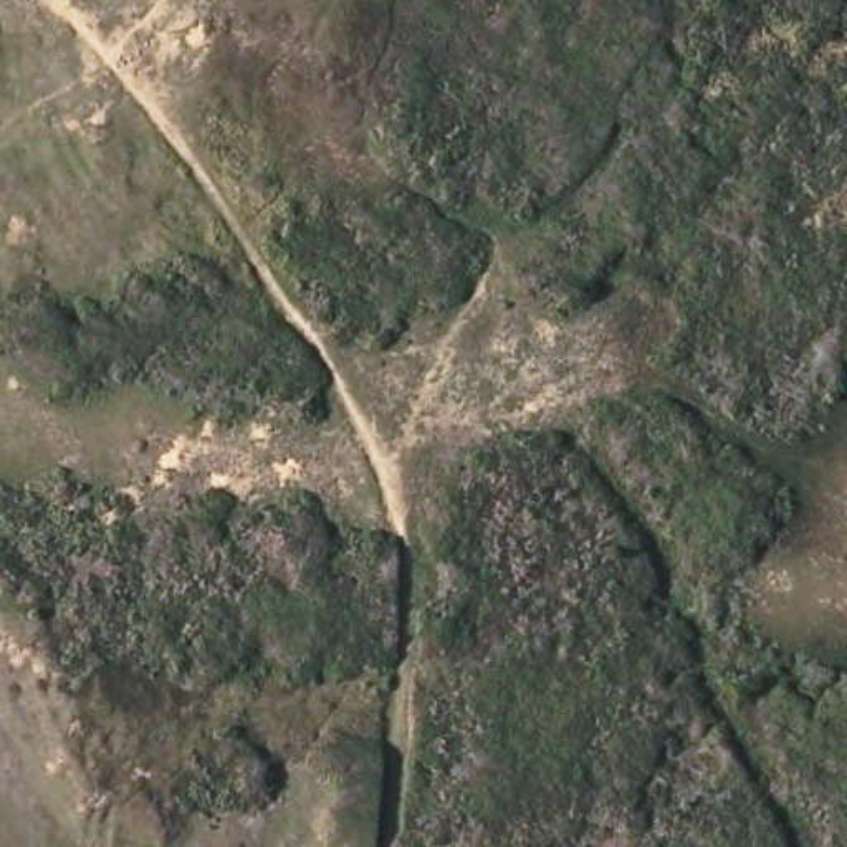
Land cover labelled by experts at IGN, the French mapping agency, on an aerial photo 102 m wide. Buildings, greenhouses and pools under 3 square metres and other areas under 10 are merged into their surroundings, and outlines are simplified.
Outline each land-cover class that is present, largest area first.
<instances>
[{"label":"herbaceous vegetation","instance_id":"1","mask_svg":"<svg viewBox=\"0 0 847 847\"><path fill-rule=\"evenodd\" d=\"M778 23L797 26L804 40L801 53L791 56L787 43L748 53V36ZM205 89H199L192 99H182L172 116L215 179L222 205H215L195 179L192 165L172 149V142L159 132L149 112L136 103V96L119 83V76L109 66L99 69L93 86L83 83L79 36L66 20L53 17L43 7V0H0V615L40 619L46 662L60 672V695L76 701L79 718V731L73 735L66 754L76 761L86 787L106 794L103 807H86L83 817L96 824L99 837L106 830V821H116L112 847H185L195 814H258L261 807H268L285 791L288 768L294 761H308L318 781L337 778L341 807L334 814V834L347 847H374L380 804V744L390 741V711L397 695V688L387 685V668L394 662L397 639L394 549L400 539L410 546L414 559V635L404 668L417 678V761L400 758L397 837L390 840L394 847H629V814L635 807L629 781H635L652 761L655 735L662 728H682L688 735L691 721L698 718L708 735H721L725 748L731 751L735 764L751 784L758 804L771 814L784 847H804L794 817L771 794V778H764L761 764L738 738L721 698L715 695L705 675L701 622L672 599V566L645 516L629 506L622 486L609 476L605 463L612 467L615 460H622L629 443L639 437L668 443L672 450H698L705 457V473L711 480L731 483L738 496L731 549H738L741 556L751 553L758 562L754 572L735 579V589L758 599L764 619L784 625L811 622L817 629L830 612H840L847 619V0H215L205 13ZM93 109L106 112L99 142H79L69 129H63L66 116L79 119L93 116ZM615 248L625 251L622 271L612 285V294L592 304L586 291L599 275L602 261ZM275 258H288V268L298 271L301 294L294 301L301 314L311 318L334 344L341 374L354 400L361 404L364 417L374 420L384 443L400 437L407 410L417 400V390L430 367L424 357H414L404 344L443 341L457 351L453 364L463 371V397L476 407V417L490 437L476 440L470 427L417 424V447L410 450V457L400 460L407 533L397 536L390 529H374L371 523L351 519L334 523L318 493L285 480L268 493V500L258 503H245L232 490L215 486L208 493H179V506L139 516L132 500L112 486L119 453L132 443L139 447L146 427L165 430L172 440H192L202 420L232 430L251 424L268 404L278 400H298L308 407L318 390V371L308 357V351L314 347L271 301L258 271L271 265ZM79 10L96 17L99 33H112L132 20H142L152 0H73ZM807 658L817 668L830 672V665H847V642L824 635H814L807 642Z\"/></svg>","mask_w":847,"mask_h":847},{"label":"bare soil","instance_id":"2","mask_svg":"<svg viewBox=\"0 0 847 847\"><path fill-rule=\"evenodd\" d=\"M215 0H172L169 10L149 30L136 33V40L119 56V63H129L136 76L169 86L172 116L182 99H192L199 89H205V13ZM787 43L791 56L801 53L804 40L797 26L778 23L748 36V53ZM106 112L93 109V116L79 119L66 116L63 129H69L79 142H99ZM625 251L615 248L602 261L599 275L586 291L592 304L612 294V285L622 271ZM275 278L294 301L301 294L298 271L288 268V258H275L271 265ZM308 357L318 371V390L308 407L298 400H278L268 404L251 424L232 430L202 420L192 440H172L165 430L146 427L139 447L132 443L119 453L112 486L132 500L139 516L179 506V493H208L215 486L232 490L245 503H258L268 500V493L285 480L318 493L334 523L351 519L371 523L374 529H390L380 476L351 417L337 404L331 371L314 347L308 351ZM79 731V718L76 701L60 695V672L46 662L40 619L0 615V847H112L116 821H106V830L99 837L96 824L83 817L86 807H103L106 794L86 787L76 761L66 754L73 735ZM341 807L337 778L318 781L308 761H294L288 768L285 791L268 807H261L258 814H195L185 847H347L334 834V814Z\"/></svg>","mask_w":847,"mask_h":847},{"label":"brushwood","instance_id":"3","mask_svg":"<svg viewBox=\"0 0 847 847\"><path fill-rule=\"evenodd\" d=\"M609 476L622 486L629 506L645 516L672 566V599L701 622L705 675L715 695L721 698L738 738L761 764L764 778H771V794L794 817L804 847H847V665H830V672L817 668L807 658V642L814 635H824L847 642V619L840 612H830L817 629L811 622L784 625L764 619L758 599L735 589V579L754 572L758 562L751 553L741 556L738 549H731L738 496L731 483L711 480L705 473V457L698 450H672L668 443L639 437L629 443L622 460H615L612 467L605 463ZM635 807L629 814V847H784L771 814L758 804L751 784L735 764L731 751L725 748L721 735H708L698 718L691 721L688 735L682 728H662L655 735L652 761L635 781H629Z\"/></svg>","mask_w":847,"mask_h":847},{"label":"pervious surface","instance_id":"4","mask_svg":"<svg viewBox=\"0 0 847 847\"><path fill-rule=\"evenodd\" d=\"M172 0H152L142 20H132L112 33H99L96 17L79 10L73 0H43V7L53 17L66 20L79 36L83 83L93 86L99 69L109 66L119 76V83L136 96V103L149 112L159 132L172 142V149L192 165L195 179L215 205H222L215 179L172 116L169 86L136 76L129 63H119V56L136 40V33L149 30L169 10ZM271 301L314 347L331 371L337 404L351 417L380 476L390 529L397 536L407 533L400 460L410 457V450L417 447V424L470 427L476 440L490 437L476 417V407L463 397V371L453 364L457 351L443 341L404 344L414 357H424L430 367L417 390V400L407 410L400 437L384 443L374 420L364 417L361 404L354 400L341 374L334 344L311 318L301 314L294 301L275 278L271 265L258 271ZM397 639L394 662L387 668V685L397 688V695L390 711V741L380 744V804L374 847H394L390 840L397 837L400 758L417 761V678L404 668L414 635V559L410 546L400 539L394 549Z\"/></svg>","mask_w":847,"mask_h":847}]
</instances>
